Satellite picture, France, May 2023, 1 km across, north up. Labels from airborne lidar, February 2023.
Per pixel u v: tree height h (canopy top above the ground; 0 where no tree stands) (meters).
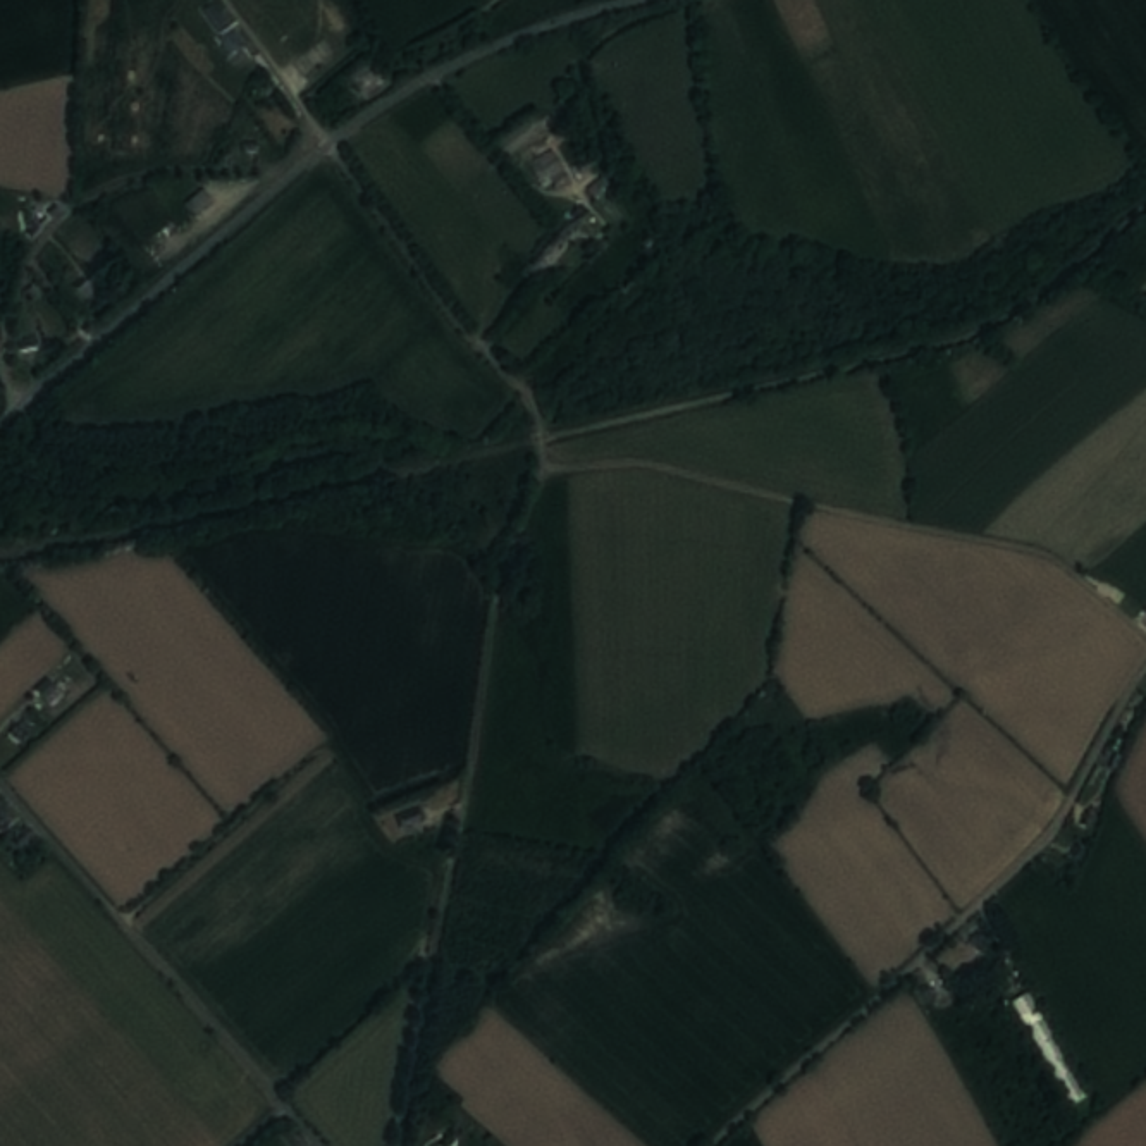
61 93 0
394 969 0
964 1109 0
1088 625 0
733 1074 0
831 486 0
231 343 0
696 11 14
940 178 0
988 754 0
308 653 0
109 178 0
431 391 0
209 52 0
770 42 0
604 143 12
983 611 0
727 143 0
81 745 0
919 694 0
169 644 0
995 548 0
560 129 22
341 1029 0
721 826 0
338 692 0
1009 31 0
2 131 0
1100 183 0
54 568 11
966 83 0
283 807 0
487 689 0
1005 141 0
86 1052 0
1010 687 0
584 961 0
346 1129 0
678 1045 0
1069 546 0
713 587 0
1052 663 0
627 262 0
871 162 0
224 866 0
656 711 0
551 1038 0
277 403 11
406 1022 13
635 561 0
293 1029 0
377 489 23
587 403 13
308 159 0
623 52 0
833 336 8
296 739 0
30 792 0
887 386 13
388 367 0
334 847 0
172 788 0
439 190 0
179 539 18
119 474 15
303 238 0
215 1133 0
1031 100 0
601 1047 0
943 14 0
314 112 8
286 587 0
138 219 0
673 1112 0
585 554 0
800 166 0
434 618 0
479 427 0
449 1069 0
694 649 0
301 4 0
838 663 0
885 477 0
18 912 0
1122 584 0
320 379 0
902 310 9
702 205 9
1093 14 0
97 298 14
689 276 8
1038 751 0
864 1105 0
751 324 14
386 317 0
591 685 0
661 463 0
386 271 0
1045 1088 9
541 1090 0
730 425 0
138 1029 0
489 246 0
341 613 0
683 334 8
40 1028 0
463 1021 21
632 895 9
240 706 0
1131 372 0
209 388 0
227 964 0
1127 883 0
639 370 9
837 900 0
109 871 0
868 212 0
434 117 0
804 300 12
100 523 13
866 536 0
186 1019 0
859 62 0
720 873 0
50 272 9
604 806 0
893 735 0
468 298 0
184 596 0
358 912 0
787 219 0
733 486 0
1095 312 0
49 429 12
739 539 0
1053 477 0
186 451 18
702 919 0
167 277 0
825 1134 0
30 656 0
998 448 0
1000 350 16
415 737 0
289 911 0
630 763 0
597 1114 0
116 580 0
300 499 18
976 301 22
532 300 10
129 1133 0
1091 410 0
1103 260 11
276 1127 12
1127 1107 0
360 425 19
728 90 0
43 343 7
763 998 0
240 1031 0
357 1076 0
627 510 0
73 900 0
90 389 0
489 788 0
